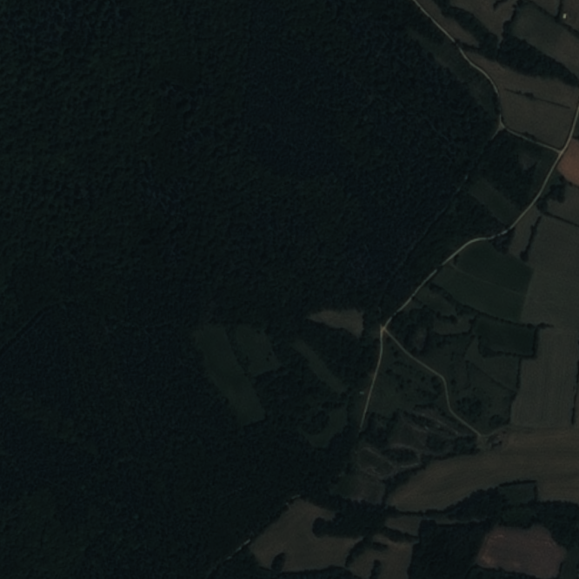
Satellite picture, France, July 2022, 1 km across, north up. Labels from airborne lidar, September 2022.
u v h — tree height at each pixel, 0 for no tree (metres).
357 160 17
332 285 19
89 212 18
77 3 20
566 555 0
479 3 0
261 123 16
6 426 16
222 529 11
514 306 0
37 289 12
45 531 16
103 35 19
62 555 16
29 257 17
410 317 7
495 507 21
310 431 11
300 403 12
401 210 17
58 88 15
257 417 0
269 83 21
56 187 18
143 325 11
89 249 17
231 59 20
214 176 17
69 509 17
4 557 20
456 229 7
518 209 7
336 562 0
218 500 14
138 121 14
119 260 20
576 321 0
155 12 16
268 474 15
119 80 11
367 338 9
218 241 18
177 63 9
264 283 19
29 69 20
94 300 13
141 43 21
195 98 8
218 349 0
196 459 11
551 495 0
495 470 0
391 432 9
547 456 0
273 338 13
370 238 16
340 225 19
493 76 0
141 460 13
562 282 0
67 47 8
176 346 16
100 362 12
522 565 0
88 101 24
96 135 17
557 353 0
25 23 20
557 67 19
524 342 0
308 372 16
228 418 9
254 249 18
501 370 0
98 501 19
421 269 6
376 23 20
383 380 0
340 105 15
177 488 16
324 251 17
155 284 18
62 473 16
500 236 11
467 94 20
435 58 20
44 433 16
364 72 21
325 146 19
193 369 15
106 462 15
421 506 0
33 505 17
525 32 0
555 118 0
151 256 11
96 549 17
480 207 11
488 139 7
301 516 0
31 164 20
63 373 11
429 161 17
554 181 0
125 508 20
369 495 0
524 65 18
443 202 18
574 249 0
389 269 15
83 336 17
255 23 21
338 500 15
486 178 9
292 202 18
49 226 16
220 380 0
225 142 12
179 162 12
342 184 16
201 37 22
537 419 0
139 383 16
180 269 18
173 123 10
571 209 0
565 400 0
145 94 20
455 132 19
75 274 16
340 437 15
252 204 18
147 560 10
